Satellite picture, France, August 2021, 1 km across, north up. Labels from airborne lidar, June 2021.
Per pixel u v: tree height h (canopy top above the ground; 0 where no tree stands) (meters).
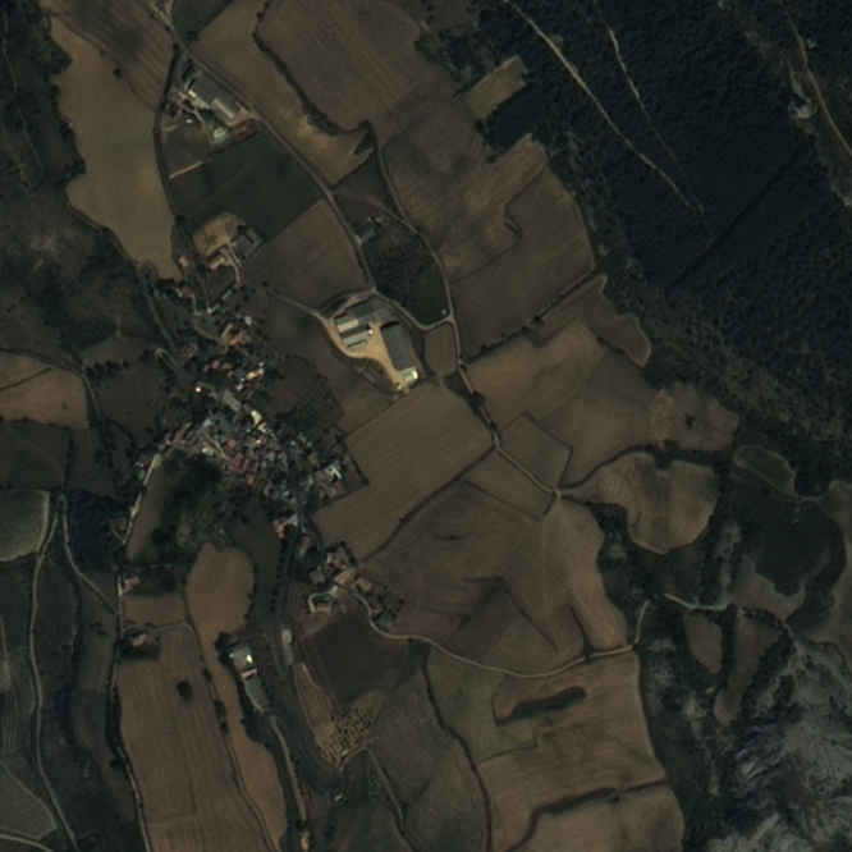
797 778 0
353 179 0
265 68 0
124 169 0
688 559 0
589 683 0
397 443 0
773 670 7
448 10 0
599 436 0
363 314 0
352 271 0
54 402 0
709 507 0
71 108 0
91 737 0
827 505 0
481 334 0
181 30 0
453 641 0
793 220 17
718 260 15
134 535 0
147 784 0
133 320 0
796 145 19
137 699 0
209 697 0
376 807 0
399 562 0
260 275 0
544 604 0
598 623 0
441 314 0
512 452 0
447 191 0
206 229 0
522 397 0
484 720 0
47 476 0
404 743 0
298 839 0
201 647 0
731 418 0
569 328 0
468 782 0
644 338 0
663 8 16
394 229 0
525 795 0
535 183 0
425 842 0
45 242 0
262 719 0
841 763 0
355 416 0
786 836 0
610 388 0
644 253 20
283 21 0
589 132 17
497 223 0
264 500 8
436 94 0
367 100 0
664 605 9
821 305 17
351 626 0
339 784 0
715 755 6
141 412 0
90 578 0
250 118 0
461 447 0
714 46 8
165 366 6
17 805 0
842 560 5
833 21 10
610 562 7
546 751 0
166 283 9
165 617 0
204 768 0
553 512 0
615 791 0
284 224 0
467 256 0
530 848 0
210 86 0
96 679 0
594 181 12
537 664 0
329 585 8
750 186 17
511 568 0
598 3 13
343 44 0
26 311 0
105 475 0
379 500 0
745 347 14
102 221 0
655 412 0
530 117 12
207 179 0
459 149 0
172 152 0
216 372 15
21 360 0
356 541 0
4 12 7
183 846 0
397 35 0
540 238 0
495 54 10
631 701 0
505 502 0
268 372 8
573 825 0
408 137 0
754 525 7
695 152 19
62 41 0
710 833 7
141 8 0
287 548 15
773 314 10
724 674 8
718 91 19
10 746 0
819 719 0
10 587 0
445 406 0
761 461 0
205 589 0
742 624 0
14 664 0
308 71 0
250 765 0
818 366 9
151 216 0
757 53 7
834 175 0
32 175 0
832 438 7
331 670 0
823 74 10
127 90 0
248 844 0
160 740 0
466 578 0
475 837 0
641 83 9
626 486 0
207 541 0
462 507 0
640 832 0
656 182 17
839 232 10
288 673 0
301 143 0
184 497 8
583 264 0
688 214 16
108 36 0
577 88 13
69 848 7
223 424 0
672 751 0
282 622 0
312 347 0
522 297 0
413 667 0
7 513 0
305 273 0
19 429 0
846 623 0
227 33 0
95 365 0
